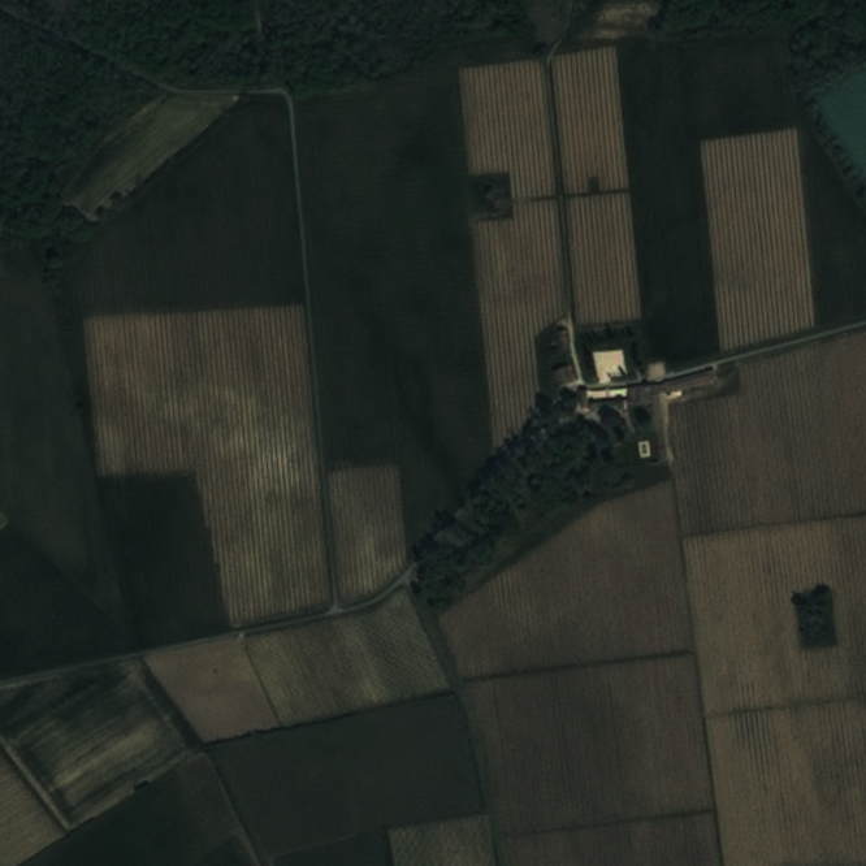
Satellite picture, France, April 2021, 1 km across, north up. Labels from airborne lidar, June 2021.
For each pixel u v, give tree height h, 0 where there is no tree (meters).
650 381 0
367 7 16
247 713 0
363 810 0
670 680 0
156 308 0
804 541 0
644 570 0
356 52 22
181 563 0
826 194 0
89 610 0
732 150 0
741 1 24
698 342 0
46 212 26
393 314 0
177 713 0
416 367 0
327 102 0
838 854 0
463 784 0
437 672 0
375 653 0
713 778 0
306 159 0
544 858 0
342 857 0
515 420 0
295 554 0
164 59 25
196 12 27
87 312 0
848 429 0
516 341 0
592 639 0
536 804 0
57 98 28
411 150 0
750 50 0
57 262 17
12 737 0
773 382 0
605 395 0
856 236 0
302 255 0
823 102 0
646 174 0
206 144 0
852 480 0
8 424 0
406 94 0
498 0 16
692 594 0
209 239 0
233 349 0
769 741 0
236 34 23
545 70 0
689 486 0
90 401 0
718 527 0
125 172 0
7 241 20
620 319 0
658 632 0
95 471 0
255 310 0
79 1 23
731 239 0
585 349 0
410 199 0
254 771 0
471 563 21
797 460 0
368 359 0
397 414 0
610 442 24
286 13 23
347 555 0
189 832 0
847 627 0
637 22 0
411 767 0
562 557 0
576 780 0
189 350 0
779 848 0
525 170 0
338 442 0
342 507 0
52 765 0
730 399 0
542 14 0
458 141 0
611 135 0
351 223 0
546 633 0
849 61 22
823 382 0
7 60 23
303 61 28
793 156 0
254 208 0
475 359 0
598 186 0
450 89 0
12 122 18
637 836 0
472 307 0
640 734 0
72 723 0
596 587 0
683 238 0
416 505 0
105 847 0
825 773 0
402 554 0
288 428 0
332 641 0
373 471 0
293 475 0
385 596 0
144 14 18
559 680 0
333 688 0
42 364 0
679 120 0
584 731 0
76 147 25
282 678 0
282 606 0
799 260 0
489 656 0
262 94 0
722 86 0
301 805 0
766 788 0
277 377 0
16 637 0
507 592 0
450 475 0
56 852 0
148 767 0
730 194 0
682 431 0
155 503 0
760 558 0
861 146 0
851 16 27
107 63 19
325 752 0
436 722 0
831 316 0
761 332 0
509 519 25
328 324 0
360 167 0
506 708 0
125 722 0
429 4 15
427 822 0
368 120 0
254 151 0
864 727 0
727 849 0
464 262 0
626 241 0
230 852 0
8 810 0
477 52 0
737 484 0
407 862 0
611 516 0
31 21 10
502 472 20
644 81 0
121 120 15
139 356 0
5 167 21
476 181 0
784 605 0
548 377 0
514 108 0
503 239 0
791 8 25
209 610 0
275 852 0
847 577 0
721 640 0
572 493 23
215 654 0
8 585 0
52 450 0
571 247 0
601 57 0
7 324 0
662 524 0
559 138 0
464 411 0
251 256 0
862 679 0
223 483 0
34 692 0
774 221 0
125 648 0
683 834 0
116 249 0
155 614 0
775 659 0
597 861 0
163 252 0
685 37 6
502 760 0
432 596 17
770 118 0
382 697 0
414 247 0
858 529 0
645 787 0
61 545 0
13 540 0
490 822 0
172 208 0
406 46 15
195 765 0
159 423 0
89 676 0
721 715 0
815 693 0
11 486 0
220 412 0
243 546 0
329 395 0
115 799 0
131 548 0
